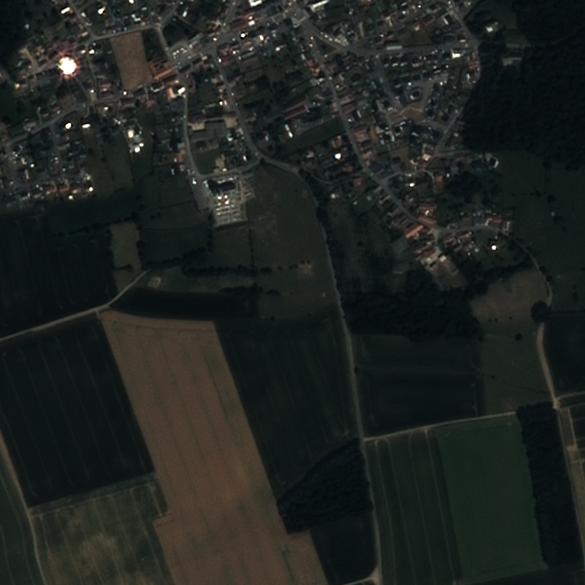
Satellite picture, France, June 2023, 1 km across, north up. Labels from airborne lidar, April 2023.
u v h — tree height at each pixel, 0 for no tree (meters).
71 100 0
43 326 0
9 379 0
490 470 0
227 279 0
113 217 0
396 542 0
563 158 18
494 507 0
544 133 26
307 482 14
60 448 0
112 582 0
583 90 26
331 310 0
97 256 0
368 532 0
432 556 0
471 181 18
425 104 0
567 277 0
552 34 24
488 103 24
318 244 0
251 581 0
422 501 0
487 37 7
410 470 0
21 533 0
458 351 0
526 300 0
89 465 0
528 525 0
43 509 0
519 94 28
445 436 0
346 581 0
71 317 0
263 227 0
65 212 0
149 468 0
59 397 0
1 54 11
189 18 0
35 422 0
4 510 0
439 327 14
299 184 0
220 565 0
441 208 0
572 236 0
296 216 0
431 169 0
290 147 0
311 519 12
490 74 16
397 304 16
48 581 0
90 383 0
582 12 25
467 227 0
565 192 0
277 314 0
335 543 0
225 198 0
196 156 0
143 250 7
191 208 0
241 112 0
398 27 0
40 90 8
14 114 0
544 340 0
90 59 0
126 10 0
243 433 0
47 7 0
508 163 0
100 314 0
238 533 0
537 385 0
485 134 27
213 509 0
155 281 0
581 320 0
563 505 20
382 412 0
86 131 0
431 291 22
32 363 0
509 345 0
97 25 0
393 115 0
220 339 0
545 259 0
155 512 0
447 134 0
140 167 0
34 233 0
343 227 0
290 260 0
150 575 0
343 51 0
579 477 0
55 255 0
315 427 0
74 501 0
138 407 0
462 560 0
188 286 0
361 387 0
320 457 0
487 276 15
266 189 0
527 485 0
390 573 0
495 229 0
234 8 0
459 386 0
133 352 0
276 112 0
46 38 0
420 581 0
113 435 0
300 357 0
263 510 0
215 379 0
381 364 0
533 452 17
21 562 0
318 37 0
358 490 14
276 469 0
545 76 24
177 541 0
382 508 0
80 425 0
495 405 0
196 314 0
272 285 0
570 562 13
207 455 0
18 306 0
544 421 18
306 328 0
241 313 0
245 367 0
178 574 0
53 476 0
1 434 0
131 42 0
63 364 0
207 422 0
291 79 12
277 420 0
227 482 0
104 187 0
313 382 0
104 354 0
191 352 0
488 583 0
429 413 0
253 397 0
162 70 0
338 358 0
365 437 0
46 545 0
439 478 0
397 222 0
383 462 0
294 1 0
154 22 0
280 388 0
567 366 0
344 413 0
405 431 0
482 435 0
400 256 0
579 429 0
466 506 0
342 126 0
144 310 0
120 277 0
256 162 0
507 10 0
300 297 0
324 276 0
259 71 0
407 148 0
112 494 0
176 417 0
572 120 26
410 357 0
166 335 0
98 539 0
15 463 0
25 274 0
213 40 0
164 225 0
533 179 0
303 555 0
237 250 0
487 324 0
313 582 0
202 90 0
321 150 0
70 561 0
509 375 0
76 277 0
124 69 0
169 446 0
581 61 24
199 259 22
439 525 0
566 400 0
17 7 27
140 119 0
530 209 0
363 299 18
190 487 0
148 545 0
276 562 0
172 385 0
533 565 0
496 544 0
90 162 0
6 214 0
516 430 0
